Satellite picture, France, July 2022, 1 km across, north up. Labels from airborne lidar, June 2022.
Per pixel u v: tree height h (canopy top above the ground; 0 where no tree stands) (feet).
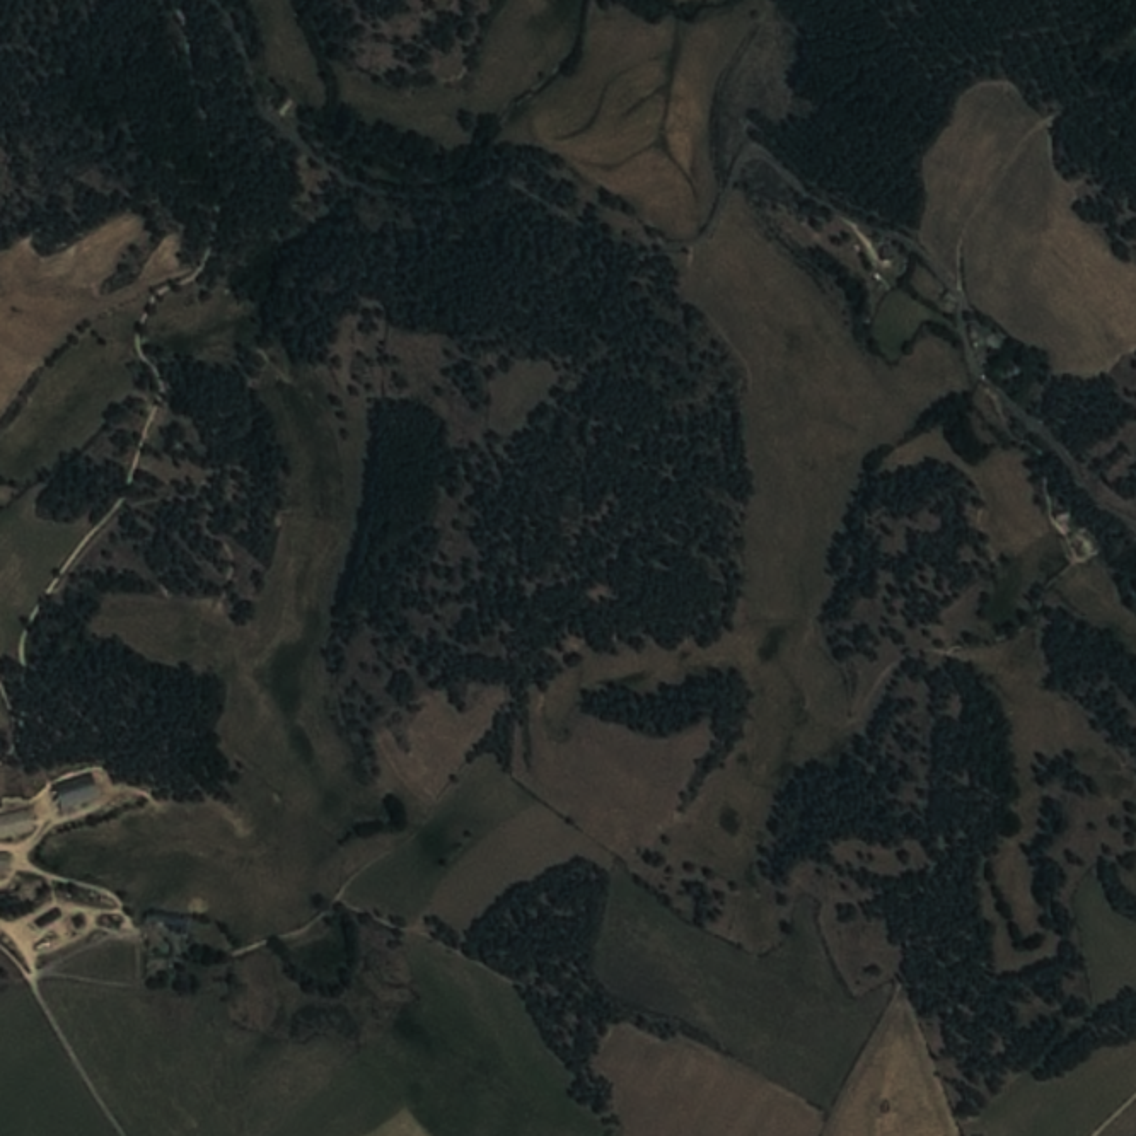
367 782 0
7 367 0
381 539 77
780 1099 0
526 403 0
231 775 28
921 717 0
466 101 0
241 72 73
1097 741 0
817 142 57
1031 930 0
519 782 0
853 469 0
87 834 0
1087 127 51
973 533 33
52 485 25
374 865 0
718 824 0
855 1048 0
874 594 48
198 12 68
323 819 0
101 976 0
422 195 40
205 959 47
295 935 0
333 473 0
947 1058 58
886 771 64
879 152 48
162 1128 0
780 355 0
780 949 0
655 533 75
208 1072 0
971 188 0
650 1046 0
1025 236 0
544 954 50
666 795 0
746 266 0
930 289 0
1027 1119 0
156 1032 0
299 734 0
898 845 42
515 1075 0
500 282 64
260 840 0
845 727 0
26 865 0
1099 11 25
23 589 0
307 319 44
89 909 0
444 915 0
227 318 0
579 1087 45
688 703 31
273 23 0
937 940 54
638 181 0
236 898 0
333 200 79
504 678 41
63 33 63
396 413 52
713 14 0
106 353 0
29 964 0
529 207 43
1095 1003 0
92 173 0
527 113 0
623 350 40
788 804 57
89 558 0
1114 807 0
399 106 0
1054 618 44
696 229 0
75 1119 0
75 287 0
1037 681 0
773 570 0
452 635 43
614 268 70
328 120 22
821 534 0
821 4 57
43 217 51
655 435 50
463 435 0
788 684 0
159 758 43
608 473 56
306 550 0
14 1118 0
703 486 54
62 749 65
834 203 32
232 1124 0
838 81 57
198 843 0
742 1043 0
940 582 37
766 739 0
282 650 0
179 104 60
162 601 0
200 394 54
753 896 0
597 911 51
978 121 0
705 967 0
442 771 0
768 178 0
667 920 0
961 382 0
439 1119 0
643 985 0
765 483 0
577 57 23
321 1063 0
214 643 0
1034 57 52
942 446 0
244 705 0
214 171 32
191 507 50
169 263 0
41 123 34
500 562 38
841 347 0
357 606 63
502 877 0
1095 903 0
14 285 0
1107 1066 0
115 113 57
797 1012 0
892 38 55
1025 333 0
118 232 0
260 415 56
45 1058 0
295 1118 0
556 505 51
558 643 29
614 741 0
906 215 42
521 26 0
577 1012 31
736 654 0
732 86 0
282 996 0
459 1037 0
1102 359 0
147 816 0
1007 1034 61
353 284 45
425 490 67
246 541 50
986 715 43
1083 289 0
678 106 0
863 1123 0
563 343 58
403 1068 0
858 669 0
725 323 0
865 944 0
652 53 0
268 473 49
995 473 0
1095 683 27
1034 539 0
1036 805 0
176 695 31
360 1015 0
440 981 0
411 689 35
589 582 49
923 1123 0
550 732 0
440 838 0
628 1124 0
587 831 0
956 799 59
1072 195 0
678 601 63
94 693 59
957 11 51
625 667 0
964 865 74
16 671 41
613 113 0
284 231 44
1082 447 39
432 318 69
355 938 37
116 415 57
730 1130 0
